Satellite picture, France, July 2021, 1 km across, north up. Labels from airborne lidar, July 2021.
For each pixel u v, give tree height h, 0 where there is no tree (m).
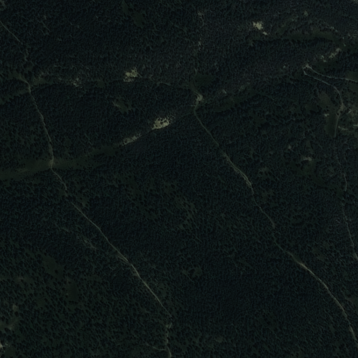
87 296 25
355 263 11
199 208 21
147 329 9
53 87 13
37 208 15
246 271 15
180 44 9
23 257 25
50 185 22
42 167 0
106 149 0
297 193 20
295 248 11
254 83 10
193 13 18
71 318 24
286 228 12
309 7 9
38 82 0
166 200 23
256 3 20
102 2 21
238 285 22
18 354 14
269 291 21
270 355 26
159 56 14
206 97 15
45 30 19
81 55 14
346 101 6
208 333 20
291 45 24
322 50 9
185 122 10
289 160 15
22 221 16
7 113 18
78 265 10
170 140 13
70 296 0
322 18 11
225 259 17
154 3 16
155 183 6
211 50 14
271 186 16
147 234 15
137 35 18
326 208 15
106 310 26
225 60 17
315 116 22
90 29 19
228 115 22
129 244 20
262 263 22
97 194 24
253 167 15
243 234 9
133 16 6
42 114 16
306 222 12
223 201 21
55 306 26
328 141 17
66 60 18
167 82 9
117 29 27
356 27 7
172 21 20
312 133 13
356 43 7
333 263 17
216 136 18
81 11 18
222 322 20
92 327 29
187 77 14
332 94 11
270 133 21
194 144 9
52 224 19
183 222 11
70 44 21
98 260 20
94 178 29
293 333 23
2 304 18
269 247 12
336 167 15
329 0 12
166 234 21
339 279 12
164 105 19
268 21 9
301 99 22
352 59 19
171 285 17
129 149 7
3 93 22
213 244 22
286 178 21
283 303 22
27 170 0
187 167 18
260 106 20
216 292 20
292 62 15
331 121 0
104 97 22
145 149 6
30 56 14
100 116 17
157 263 21
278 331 20
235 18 16
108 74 20
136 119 15
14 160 9
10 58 19
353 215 18
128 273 11
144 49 11
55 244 12
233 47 8
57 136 17
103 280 11
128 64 10
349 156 8
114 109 20
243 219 18
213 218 22
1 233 24
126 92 17
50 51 17
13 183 6
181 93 21
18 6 15
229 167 9
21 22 19
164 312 10
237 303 16
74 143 24
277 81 14
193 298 21
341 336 21
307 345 23
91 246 12
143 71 9
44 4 18
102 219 14
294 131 16
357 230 19
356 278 18
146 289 10
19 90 18
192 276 13
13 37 8
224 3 16
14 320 0
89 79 17
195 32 17
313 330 17
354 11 15
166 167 19
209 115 12
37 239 14
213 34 16
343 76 8
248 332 27
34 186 12
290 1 6
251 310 15
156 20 20
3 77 17
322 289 19
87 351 20
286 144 20
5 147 10
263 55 16
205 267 23
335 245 6
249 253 19
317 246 22
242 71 11
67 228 23
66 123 20
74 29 19
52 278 18
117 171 20
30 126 16
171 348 23
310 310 21
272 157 19
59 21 20
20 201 15
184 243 21
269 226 20
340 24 10
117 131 14
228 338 19
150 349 7
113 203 24
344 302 23
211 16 7
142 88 17
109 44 22
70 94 16
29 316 25
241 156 17
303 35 13
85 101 11
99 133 15
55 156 17
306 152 12
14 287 21
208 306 19
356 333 22
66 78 15
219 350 21
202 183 22
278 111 18
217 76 26
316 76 12
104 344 16
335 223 11
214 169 14
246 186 18
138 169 23
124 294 14
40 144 7
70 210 14
